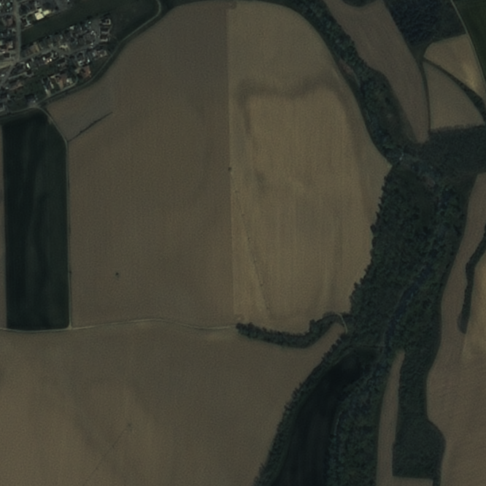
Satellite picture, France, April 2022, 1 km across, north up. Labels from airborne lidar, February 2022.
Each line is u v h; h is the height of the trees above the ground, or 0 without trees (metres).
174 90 0
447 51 0
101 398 0
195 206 0
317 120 0
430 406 0
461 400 0
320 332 6
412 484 0
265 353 0
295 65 0
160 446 0
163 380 0
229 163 0
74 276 0
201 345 0
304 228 0
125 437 0
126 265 0
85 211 0
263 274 0
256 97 0
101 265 0
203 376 0
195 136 0
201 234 0
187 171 0
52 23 0
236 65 0
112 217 0
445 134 16
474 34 0
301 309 0
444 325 0
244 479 0
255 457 0
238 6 0
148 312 0
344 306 0
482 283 0
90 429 0
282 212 0
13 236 0
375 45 0
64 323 0
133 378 0
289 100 0
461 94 0
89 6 0
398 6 17
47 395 0
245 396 0
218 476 0
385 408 0
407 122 0
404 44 0
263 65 0
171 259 0
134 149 0
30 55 0
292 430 0
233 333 0
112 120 0
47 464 0
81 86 0
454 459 0
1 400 0
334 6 0
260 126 0
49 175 0
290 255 0
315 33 0
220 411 0
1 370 0
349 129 0
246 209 0
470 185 0
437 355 0
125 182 0
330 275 0
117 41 0
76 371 0
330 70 0
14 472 0
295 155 0
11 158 0
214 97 0
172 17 0
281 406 0
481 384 0
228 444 0
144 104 0
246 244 0
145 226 0
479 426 0
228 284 0
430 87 0
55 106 0
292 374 0
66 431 0
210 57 0
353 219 0
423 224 0
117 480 0
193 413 0
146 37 0
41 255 0
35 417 0
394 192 16
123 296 0
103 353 0
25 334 0
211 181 0
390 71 0
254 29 0
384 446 0
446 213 24
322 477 0
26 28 0
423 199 0
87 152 0
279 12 0
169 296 0
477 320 0
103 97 0
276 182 0
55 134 0
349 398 18
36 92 0
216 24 0
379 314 13
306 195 0
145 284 0
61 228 0
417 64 0
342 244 0
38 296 0
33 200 0
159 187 0
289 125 0
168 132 0
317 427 0
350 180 0
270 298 0
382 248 18
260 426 0
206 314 0
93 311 0
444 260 9
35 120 0
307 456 0
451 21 15
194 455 0
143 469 0
